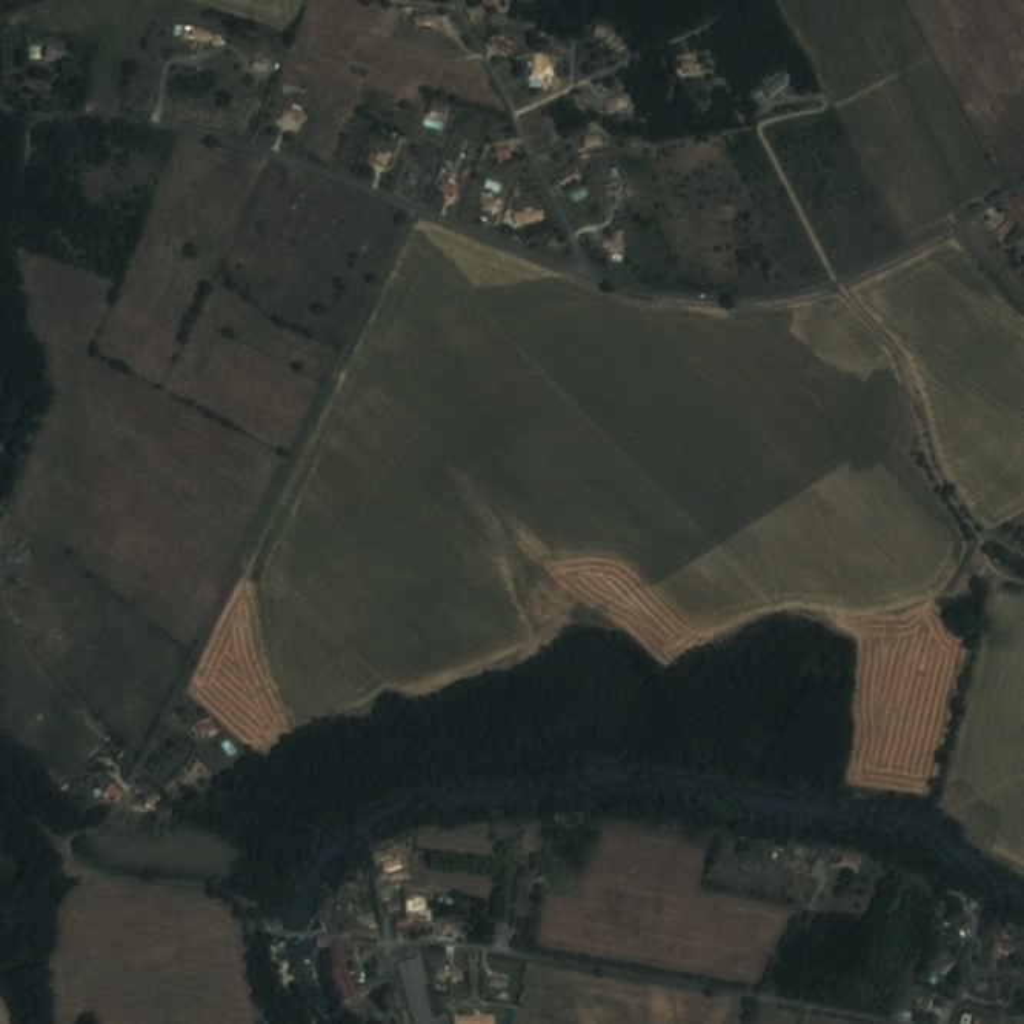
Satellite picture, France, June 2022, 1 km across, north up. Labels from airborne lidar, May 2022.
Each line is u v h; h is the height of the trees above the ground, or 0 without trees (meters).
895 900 10
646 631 0
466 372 0
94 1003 0
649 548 0
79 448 0
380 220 0
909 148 0
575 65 0
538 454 0
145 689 0
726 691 22
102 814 15
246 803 13
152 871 10
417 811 13
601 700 17
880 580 0
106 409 0
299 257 0
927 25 0
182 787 8
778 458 0
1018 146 0
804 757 15
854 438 0
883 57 0
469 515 0
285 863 18
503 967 0
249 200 0
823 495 0
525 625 0
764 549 0
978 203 7
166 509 0
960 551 0
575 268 0
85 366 0
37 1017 21
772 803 0
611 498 0
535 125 0
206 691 0
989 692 0
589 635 11
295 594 0
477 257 0
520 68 11
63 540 0
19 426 11
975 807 0
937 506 0
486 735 19
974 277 0
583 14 15
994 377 0
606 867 0
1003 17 0
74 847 12
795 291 0
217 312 0
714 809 32
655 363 0
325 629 0
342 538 0
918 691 0
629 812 12
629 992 0
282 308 0
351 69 0
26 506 0
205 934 0
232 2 0
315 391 0
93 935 0
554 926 0
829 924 14
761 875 0
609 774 0
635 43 10
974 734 0
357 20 0
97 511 0
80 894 0
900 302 0
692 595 0
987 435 0
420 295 0
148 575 0
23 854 19
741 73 17
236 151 0
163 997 0
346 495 0
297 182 0
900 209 0
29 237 11
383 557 0
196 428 0
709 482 0
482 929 10
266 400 0
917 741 0
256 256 0
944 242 0
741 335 0
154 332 0
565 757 12
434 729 21
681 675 16
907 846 18
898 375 0
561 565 0
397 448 0
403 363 0
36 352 19
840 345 0
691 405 0
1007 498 0
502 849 16
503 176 0
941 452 0
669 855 0
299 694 0
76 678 0
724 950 0
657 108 12
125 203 9
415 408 0
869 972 7
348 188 0
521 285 0
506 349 0
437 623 0
